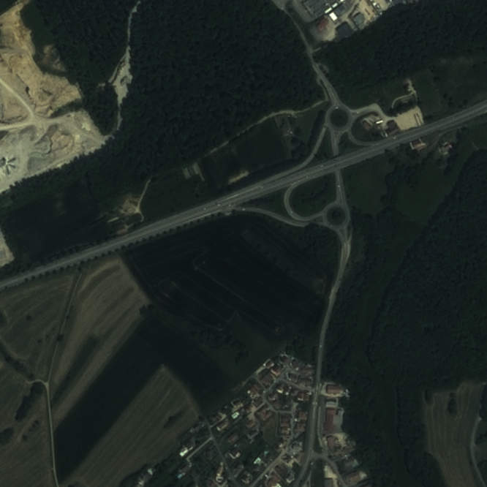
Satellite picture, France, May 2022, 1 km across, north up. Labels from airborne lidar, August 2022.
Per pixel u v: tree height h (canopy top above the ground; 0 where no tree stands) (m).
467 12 23
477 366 20
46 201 0
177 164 21
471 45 19
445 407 0
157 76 23
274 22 21
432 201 0
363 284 17
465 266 24
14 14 0
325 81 0
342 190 0
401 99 0
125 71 0
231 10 23
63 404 0
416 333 17
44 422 0
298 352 9
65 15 18
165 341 0
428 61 18
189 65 29
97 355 0
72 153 0
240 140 12
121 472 0
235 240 0
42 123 0
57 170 9
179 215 0
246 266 0
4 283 0
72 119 0
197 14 22
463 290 21
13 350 0
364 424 26
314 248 7
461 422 0
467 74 0
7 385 0
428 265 18
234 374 0
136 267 0
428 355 19
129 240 0
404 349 17
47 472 0
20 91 0
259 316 0
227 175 0
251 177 14
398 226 16
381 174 0
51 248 0
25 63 0
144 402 0
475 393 0
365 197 0
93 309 0
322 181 0
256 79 27
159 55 19
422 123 0
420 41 23
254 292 0
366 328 0
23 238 0
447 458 0
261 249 9
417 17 23
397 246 0
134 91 21
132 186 21
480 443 11
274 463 0
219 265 0
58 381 0
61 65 0
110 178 24
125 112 20
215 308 0
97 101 16
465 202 23
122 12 13
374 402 19
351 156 0
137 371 0
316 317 0
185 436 0
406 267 19
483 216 22
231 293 0
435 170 0
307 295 0
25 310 0
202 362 0
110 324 0
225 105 32
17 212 0
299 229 7
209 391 0
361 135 0
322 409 0
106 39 13
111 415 0
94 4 21
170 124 24
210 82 29
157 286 0
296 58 24
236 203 0
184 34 20
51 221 0
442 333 19
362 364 0
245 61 31
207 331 9
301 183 0
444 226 24
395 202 18
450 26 27
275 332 0
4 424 0
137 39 20
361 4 0
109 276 0
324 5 0
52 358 0
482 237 26
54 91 0
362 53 9
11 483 0
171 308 0
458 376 19
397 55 21
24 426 0
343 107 0
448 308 22
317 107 0
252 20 20
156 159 26
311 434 0
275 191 0
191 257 0
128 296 0
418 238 0
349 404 12
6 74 0
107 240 12
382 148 0
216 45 30
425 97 0
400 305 20
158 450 0
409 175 16
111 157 26
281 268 0
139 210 0
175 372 0
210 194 0
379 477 17
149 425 0
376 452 16
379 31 12
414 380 17
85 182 0
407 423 20
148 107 24
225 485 0
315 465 0
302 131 19
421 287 19
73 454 0
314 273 0
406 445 17
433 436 0
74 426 0
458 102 0
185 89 28
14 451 0
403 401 18
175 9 18
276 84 23
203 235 0
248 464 12
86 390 0
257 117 23
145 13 19
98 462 0
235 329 0
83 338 0
